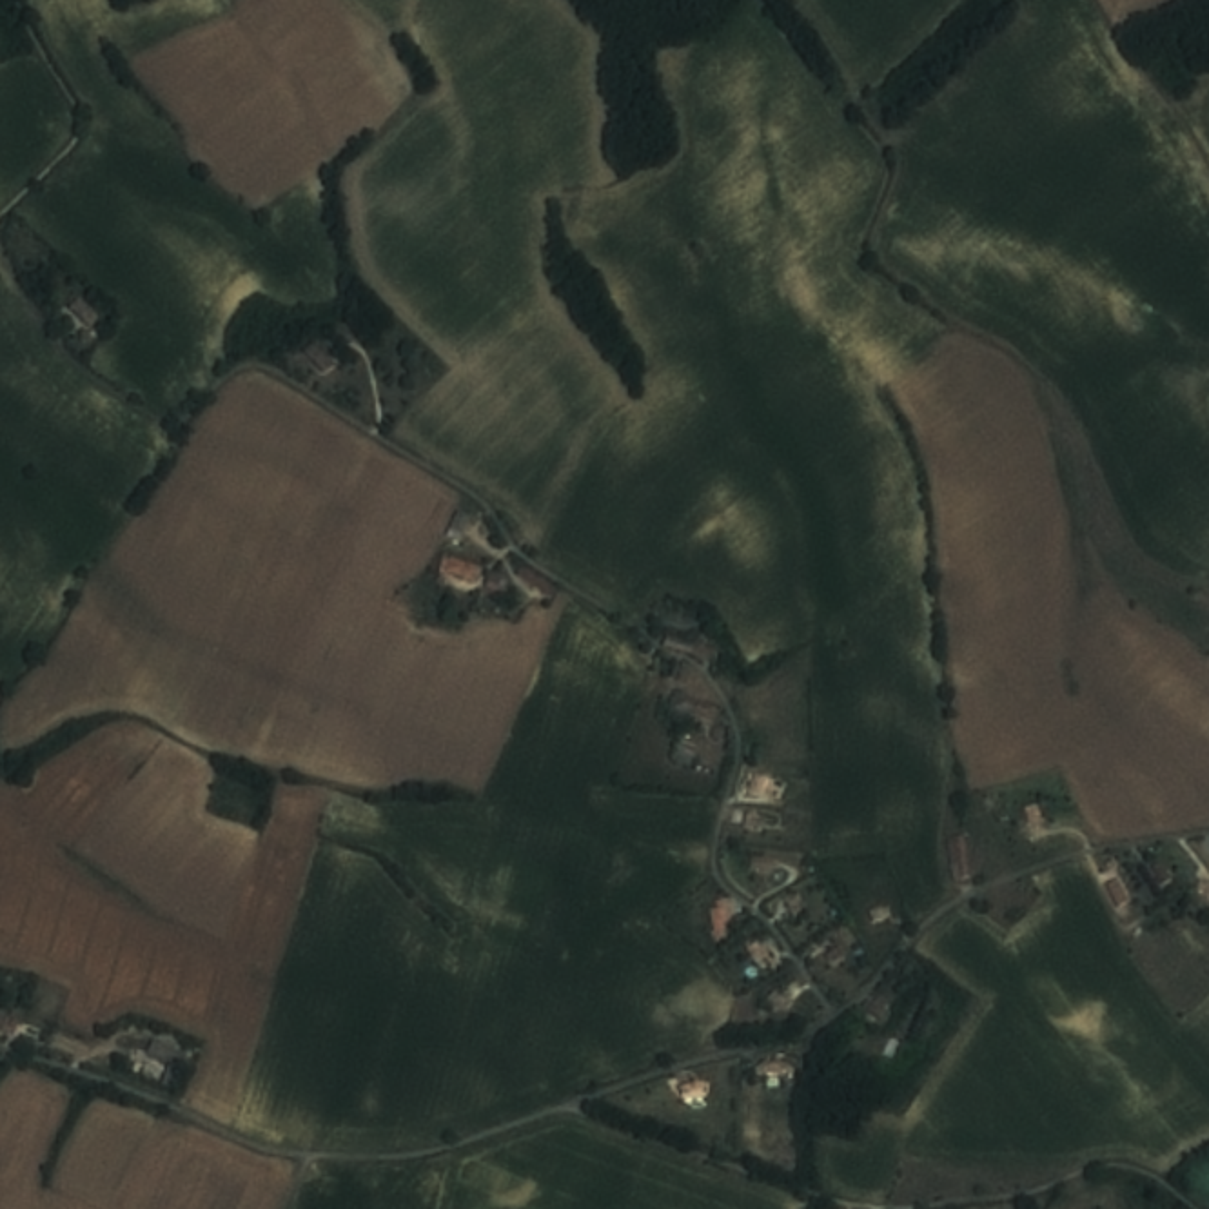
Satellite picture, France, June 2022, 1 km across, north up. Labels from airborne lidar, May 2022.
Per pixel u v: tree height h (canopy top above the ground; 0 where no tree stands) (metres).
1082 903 0
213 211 0
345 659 0
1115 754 0
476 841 0
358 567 0
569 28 0
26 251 0
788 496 0
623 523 0
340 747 0
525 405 0
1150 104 0
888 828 0
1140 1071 0
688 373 0
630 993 0
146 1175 0
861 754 0
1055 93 0
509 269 0
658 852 0
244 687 0
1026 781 0
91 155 0
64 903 0
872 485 0
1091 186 0
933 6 0
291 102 0
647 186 0
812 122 0
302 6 0
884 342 0
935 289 0
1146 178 0
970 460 0
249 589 0
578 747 0
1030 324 0
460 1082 0
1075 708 0
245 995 0
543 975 0
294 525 0
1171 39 18
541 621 0
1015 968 0
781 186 0
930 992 10
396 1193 0
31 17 16
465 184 0
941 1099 0
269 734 0
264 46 0
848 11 0
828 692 0
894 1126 0
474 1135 0
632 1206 0
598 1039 0
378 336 11
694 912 0
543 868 0
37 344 0
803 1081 14
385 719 0
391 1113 0
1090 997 0
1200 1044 0
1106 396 0
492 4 0
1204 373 0
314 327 12
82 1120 0
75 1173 0
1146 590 0
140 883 0
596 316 16
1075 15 0
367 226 0
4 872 0
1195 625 0
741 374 0
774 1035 12
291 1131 0
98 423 0
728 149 0
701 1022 0
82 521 0
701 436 0
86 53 0
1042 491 0
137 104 0
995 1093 0
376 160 0
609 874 0
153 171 0
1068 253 0
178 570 0
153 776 0
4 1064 10
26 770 16
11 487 0
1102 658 0
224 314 0
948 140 0
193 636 0
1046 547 0
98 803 0
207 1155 0
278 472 0
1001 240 0
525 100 0
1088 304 0
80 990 0
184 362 0
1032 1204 21
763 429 0
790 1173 9
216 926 0
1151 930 6
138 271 0
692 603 8
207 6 0
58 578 0
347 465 0
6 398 0
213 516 0
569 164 0
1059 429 0
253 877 0
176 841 0
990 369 0
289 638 0
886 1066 7
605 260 0
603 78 15
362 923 0
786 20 27
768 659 8
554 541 0
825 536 0
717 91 0
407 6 0
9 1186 0
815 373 0
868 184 0
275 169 0
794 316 0
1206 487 0
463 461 0
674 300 0
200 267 0
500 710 0
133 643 0
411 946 0
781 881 0
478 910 0
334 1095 0
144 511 13
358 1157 0
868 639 0
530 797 0
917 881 0
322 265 0
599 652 0
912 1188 0
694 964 0
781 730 0
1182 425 0
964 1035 0
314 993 0
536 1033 0
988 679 0
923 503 7
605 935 0
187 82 0
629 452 0
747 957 7
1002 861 0
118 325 13
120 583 0
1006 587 0
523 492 0
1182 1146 0
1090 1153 0
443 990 0
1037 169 0
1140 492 0
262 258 0
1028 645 0
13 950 0
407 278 0
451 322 0
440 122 0
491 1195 0
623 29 17
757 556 0
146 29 0
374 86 0
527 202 0
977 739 0
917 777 0
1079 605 0
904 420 8
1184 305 0
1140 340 0
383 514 0
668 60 0
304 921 0
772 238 0
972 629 0
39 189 20
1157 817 0
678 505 0
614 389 0
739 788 0
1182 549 0
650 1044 0
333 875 0
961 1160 0
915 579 0
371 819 0
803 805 0
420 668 0
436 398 0
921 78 6
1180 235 0
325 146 0
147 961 0
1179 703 0
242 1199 0
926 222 0
